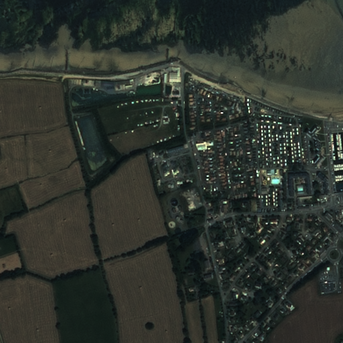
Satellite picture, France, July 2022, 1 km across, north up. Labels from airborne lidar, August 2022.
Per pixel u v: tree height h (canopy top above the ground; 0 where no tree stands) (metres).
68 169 0
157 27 0
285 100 0
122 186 0
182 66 0
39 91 0
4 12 0
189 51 0
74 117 0
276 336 0
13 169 0
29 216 0
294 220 6
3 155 0
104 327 0
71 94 0
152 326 9
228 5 0
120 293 0
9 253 0
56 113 0
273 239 0
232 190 0
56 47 0
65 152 0
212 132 0
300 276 0
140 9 0
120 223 0
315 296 0
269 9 0
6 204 0
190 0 0
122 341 0
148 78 0
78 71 0
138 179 0
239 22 0
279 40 0
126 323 0
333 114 0
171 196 0
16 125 0
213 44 0
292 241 7
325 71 0
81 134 0
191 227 9
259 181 0
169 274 0
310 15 0
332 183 0
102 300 0
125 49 0
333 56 0
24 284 0
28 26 0
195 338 0
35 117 0
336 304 0
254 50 0
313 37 0
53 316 0
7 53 0
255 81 0
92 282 0
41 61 0
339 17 0
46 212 0
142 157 0
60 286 0
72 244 0
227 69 0
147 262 0
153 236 0
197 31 0
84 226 0
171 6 0
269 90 0
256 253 7
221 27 0
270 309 8
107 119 0
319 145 0
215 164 0
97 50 0
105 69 0
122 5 0
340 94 0
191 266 16
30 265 0
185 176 0
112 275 0
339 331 0
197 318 0
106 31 0
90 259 0
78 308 0
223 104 0
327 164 0
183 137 6
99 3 0
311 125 0
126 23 0
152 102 0
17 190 0
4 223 5
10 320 0
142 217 0
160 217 0
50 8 0
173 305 0
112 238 0
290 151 11
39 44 0
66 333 0
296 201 6
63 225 0
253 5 0
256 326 0
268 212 8
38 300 0
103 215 0
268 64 0
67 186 0
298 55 0
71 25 0
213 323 0
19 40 0
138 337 0
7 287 0
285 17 0
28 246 0
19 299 0
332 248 0
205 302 0
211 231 12
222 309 6
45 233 0
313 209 0
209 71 0
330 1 0
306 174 0
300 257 9
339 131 0
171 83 0
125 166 0
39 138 0
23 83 0
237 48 0
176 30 0
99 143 0
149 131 0
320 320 0
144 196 0
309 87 0
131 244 0
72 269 0
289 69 0
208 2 0
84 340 0
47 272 0
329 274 0
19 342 0
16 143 0
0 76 0
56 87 0
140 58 0
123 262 0
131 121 0
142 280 0
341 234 0
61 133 0
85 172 9
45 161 0
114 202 0
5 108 0
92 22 0
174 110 0
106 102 0
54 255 0
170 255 10
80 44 0
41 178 0
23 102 0
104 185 0
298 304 0
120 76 0
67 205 0
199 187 0
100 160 0
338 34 0
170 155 0
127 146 0
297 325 0
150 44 0
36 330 0
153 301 0
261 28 0
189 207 0
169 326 0
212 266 7
